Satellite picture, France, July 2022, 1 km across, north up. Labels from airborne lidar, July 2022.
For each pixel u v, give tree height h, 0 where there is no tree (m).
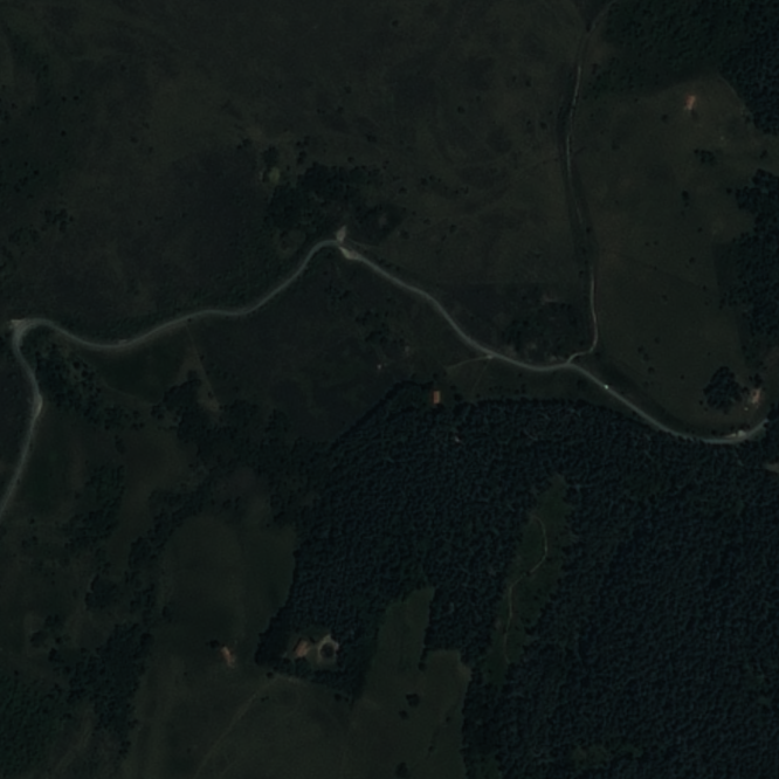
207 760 0
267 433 6
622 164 0
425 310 0
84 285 0
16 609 0
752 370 0
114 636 7
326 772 0
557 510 0
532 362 0
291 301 0
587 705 19
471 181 0
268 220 9
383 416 17
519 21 0
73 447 0
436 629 14
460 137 0
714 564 22
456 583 17
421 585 17
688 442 13
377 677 0
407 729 0
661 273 0
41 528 0
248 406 6
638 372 0
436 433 17
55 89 0
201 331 0
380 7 0
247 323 0
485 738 16
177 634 0
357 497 15
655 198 0
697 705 20
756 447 22
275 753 0
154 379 0
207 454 6
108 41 0
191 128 0
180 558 0
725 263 0
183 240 0
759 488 15
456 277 0
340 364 0
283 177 6
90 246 0
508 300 0
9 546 0
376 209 7
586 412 20
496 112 0
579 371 0
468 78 0
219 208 0
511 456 14
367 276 0
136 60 0
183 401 7
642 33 7
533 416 21
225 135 0
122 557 0
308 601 18
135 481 0
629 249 0
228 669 0
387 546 10
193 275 0
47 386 9
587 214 0
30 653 0
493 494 13
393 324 0
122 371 0
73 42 0
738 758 18
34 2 0
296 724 0
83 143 0
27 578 0
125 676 9
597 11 0
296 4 0
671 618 19
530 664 14
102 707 7
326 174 10
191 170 0
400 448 18
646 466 12
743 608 25
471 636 13
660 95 0
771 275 15
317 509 7
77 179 0
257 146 0
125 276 0
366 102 0
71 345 0
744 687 20
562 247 0
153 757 0
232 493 0
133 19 0
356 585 16
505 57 0
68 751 0
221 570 0
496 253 0
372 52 0
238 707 0
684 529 22
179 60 0
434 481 17
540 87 0
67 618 0
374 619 16
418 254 0
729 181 0
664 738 18
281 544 0
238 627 0
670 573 24
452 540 14
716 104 0
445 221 0
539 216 0
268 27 0
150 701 0
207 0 0
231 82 0
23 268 0
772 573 15
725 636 21
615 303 0
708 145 0
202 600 0
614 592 20
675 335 0
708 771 19
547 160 0
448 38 0
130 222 0
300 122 0
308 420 0
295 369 0
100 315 0
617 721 17
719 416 0
